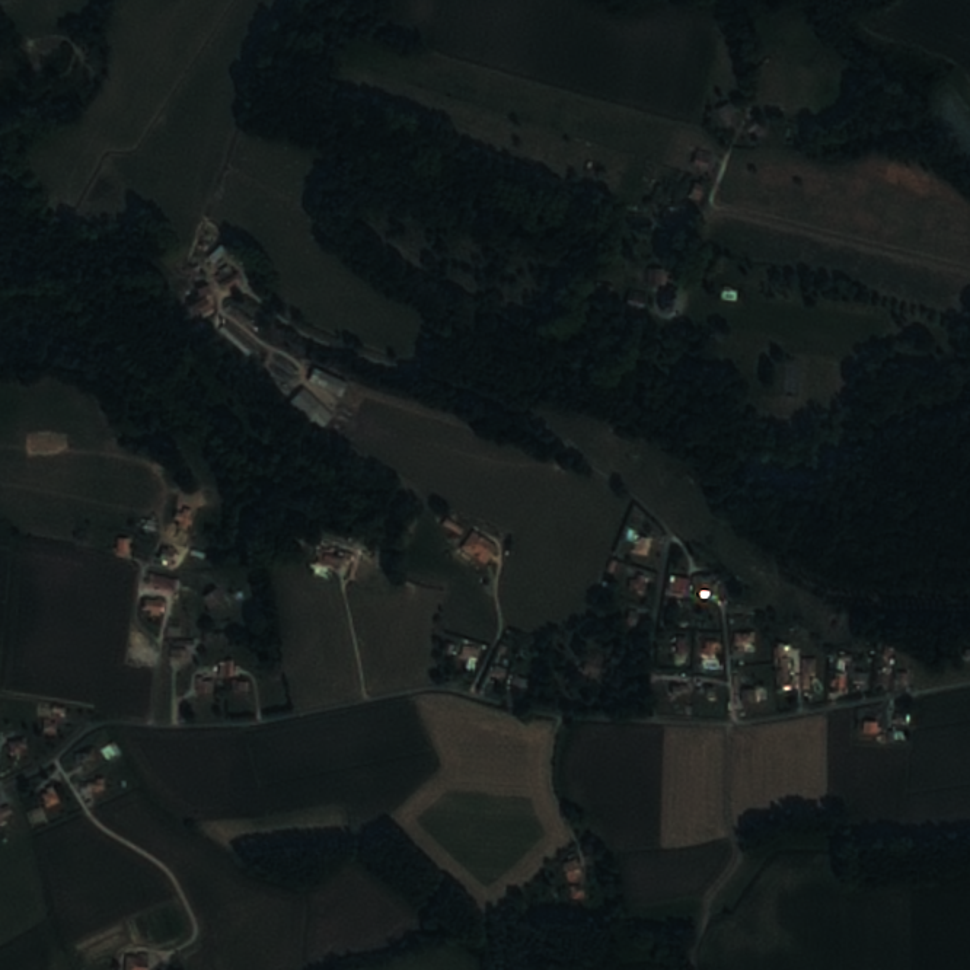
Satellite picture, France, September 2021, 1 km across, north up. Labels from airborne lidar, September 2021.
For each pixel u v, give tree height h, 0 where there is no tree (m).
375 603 0
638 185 0
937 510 23
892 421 20
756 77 17
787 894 0
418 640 0
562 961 20
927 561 22
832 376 0
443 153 19
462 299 20
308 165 0
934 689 0
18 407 0
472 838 0
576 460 18
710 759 0
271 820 0
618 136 0
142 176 0
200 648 7
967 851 26
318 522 12
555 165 0
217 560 19
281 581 0
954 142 17
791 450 24
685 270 37
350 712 0
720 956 0
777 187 0
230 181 0
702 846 0
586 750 0
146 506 0
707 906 0
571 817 20
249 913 0
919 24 0
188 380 22
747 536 18
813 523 29
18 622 0
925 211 0
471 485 0
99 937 0
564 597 0
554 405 10
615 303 19
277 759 0
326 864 25
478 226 24
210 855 0
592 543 0
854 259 0
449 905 25
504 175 22
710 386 31
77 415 0
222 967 0
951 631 22
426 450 0
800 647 0
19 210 15
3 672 0
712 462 21
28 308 11
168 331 24
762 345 0
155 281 23
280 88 25
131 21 0
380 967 6
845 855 29
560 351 24
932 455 23
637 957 0
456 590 0
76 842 0
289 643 0
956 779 0
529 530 0
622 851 0
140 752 0
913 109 25
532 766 0
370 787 0
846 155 12
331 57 21
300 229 0
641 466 0
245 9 0
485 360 22
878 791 0
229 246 24
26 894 0
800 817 21
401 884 24
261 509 24
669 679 0
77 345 17
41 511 0
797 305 0
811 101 0
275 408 25
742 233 0
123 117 0
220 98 0
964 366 23
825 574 23
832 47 8
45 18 0
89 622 0
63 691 0
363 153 25
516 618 0
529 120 0
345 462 26
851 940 0
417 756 0
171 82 0
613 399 24
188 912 0
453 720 0
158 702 0
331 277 0
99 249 16
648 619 9
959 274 0
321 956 0
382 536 25
